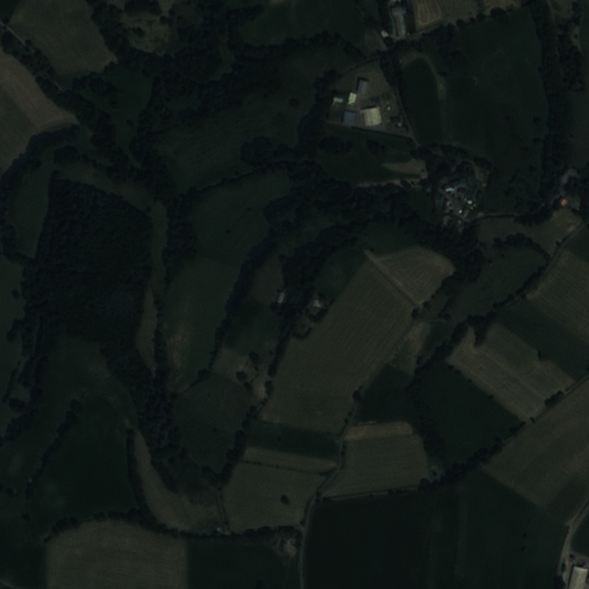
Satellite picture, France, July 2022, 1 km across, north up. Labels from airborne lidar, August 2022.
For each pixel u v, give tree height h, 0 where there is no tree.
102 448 0
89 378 0
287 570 0
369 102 0
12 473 0
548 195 15
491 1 0
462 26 15
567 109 19
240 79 27
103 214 30
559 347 0
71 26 0
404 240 0
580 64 12
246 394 0
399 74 13
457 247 21
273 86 25
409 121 7
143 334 0
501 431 0
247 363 0
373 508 0
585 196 13
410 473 0
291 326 12
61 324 16
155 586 0
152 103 13
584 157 0
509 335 0
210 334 0
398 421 0
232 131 0
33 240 0
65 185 16
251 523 0
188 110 0
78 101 26
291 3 0
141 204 0
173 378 0
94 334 16
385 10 15
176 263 26
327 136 0
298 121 0
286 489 0
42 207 0
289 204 22
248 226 0
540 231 0
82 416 0
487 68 0
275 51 16
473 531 0
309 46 18
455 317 0
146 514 17
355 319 0
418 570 0
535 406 0
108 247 26
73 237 23
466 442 0
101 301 23
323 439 0
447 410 0
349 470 0
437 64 0
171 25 12
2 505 0
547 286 0
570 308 0
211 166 0
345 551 0
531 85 0
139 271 28
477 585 0
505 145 0
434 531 0
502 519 0
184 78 10
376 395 0
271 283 0
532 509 0
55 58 0
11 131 0
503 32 0
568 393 0
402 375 0
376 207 7
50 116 0
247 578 0
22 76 0
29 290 13
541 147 9
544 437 0
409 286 0
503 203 0
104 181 0
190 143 0
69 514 0
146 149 17
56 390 0
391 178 0
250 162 19
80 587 0
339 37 15
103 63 0
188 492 0
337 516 0
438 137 0
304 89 0
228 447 0
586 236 0
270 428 0
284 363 0
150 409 24
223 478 18
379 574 0
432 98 0
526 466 0
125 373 22
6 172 0
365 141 0
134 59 26
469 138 0
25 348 14
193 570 0
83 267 17
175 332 0
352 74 0
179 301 0
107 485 0
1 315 0
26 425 22
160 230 0
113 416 0
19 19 0
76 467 0
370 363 0
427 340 0
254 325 0
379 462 0
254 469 0
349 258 0
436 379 0
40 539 0
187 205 26
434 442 10
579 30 0
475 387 0
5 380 0
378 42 0
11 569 0
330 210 22
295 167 6
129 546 0
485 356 0
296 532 10
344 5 0
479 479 0
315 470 0
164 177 24
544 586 0
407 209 29
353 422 0
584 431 0
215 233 0
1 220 23
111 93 23
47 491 0
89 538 0
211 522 0
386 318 0
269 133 0
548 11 19
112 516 15
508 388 0
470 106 0
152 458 12
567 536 0
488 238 0
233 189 0
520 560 0
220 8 23
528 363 0
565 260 0
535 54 0
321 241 18
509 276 0
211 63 27
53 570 0
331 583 0
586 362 0
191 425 0
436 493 17
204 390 0
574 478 0
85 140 0
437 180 18
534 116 0
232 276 0
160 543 0
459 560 0
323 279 0
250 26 0
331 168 0
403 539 0
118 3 0
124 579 0
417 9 0
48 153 0
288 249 0
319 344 0
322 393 0
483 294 0
